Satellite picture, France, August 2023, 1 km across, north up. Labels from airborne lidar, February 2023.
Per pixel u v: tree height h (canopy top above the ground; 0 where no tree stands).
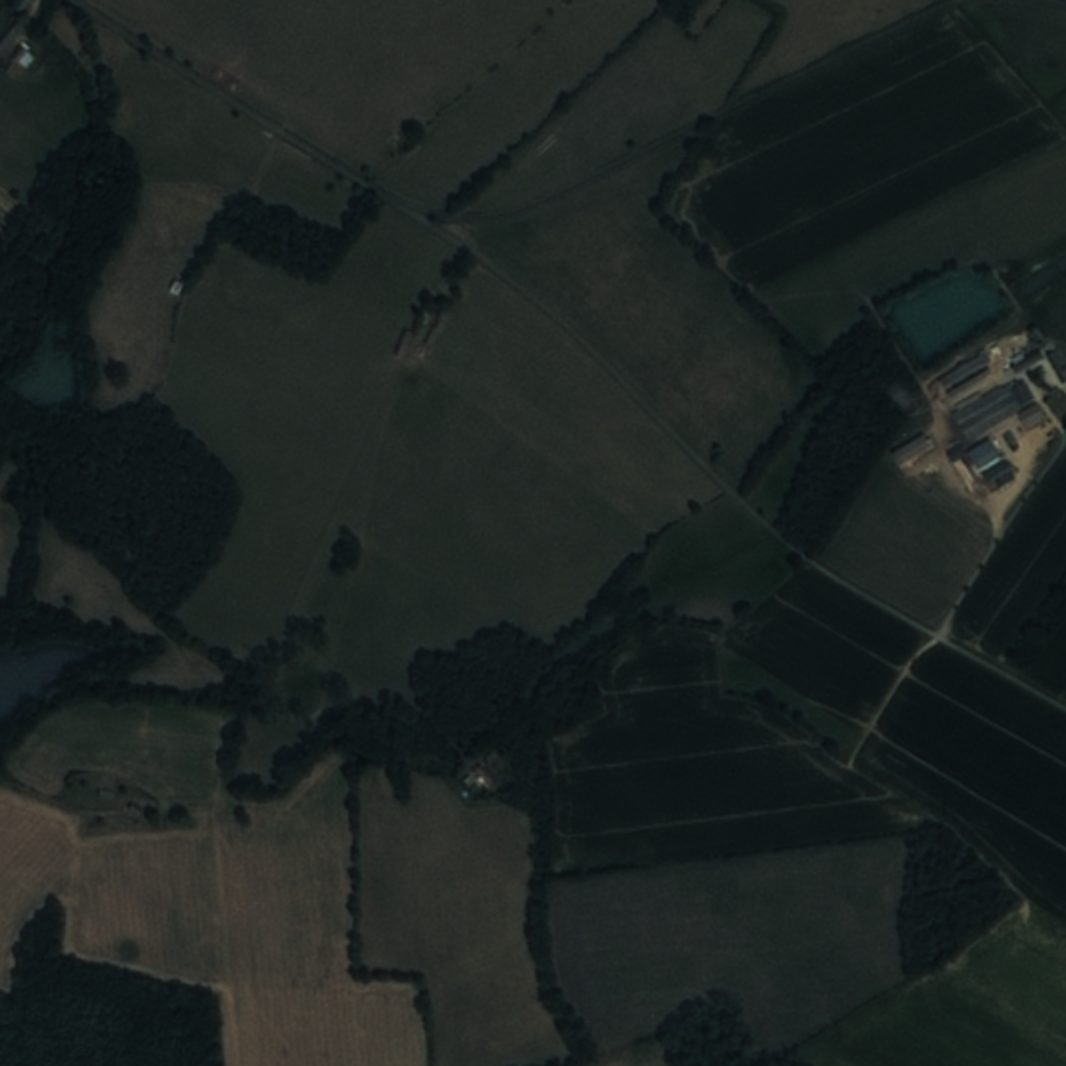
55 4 8
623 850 0
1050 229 0
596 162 0
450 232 0
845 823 0
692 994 0
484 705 21
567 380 0
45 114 0
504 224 0
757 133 0
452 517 0
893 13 0
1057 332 0
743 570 0
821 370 16
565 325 0
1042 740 0
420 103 0
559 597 0
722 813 0
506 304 0
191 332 0
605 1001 0
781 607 0
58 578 0
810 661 0
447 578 0
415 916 0
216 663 8
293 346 0
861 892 0
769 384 0
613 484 0
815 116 0
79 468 21
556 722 16
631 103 0
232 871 0
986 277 16
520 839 0
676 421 0
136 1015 14
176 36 0
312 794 0
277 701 27
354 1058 0
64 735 0
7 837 0
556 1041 0
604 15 0
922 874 17
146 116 0
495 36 0
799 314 0
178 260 0
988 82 0
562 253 0
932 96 0
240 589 0
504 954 0
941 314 0
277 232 20
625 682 0
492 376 0
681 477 0
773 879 0
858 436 13
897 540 0
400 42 0
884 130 0
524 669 20
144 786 0
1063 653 0
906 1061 0
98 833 0
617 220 0
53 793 0
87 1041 20
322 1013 0
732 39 0
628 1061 0
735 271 0
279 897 0
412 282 0
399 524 0
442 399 0
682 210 0
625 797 0
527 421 0
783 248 0
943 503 0
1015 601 0
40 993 17
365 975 16
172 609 12
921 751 0
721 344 0
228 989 0
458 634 0
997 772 0
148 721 0
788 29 0
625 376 0
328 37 0
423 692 14
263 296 0
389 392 0
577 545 0
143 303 0
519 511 0
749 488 13
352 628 0
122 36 0
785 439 14
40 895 0
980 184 0
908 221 0
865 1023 0
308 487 0
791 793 0
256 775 0
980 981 0
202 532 16
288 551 0
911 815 0
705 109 0
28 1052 17
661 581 0
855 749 0
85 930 0
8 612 21
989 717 0
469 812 0
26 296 24
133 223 11
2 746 17
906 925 18
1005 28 0
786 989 0
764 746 0
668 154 0
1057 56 0
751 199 0
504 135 0
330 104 0
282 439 0
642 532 0
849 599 0
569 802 0
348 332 0
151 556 17
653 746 0
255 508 0
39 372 0
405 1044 0
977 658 0
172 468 15
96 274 23
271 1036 0
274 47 0
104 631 11
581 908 0
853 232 0
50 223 17
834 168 0
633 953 0
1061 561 0
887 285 0
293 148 0
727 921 0
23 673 0
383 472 0
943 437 0
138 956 0
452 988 0
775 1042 0
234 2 0
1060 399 0
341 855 0
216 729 0
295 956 0
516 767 10
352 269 0
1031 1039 0
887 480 0
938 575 0
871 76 0
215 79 0
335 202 0
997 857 0
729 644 0
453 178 0
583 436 0
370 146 0
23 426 20
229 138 0
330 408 0
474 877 0
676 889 0
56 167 20
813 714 0
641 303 0
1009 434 0
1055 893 0
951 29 0
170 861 0
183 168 0
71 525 21
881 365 21
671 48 0
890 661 0
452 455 0
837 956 0
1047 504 0
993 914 12
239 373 0
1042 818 0
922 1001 0
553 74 0
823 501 17
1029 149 0
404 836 0
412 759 10
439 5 0
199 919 0
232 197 0
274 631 0
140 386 0
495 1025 0
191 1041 12
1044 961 0
